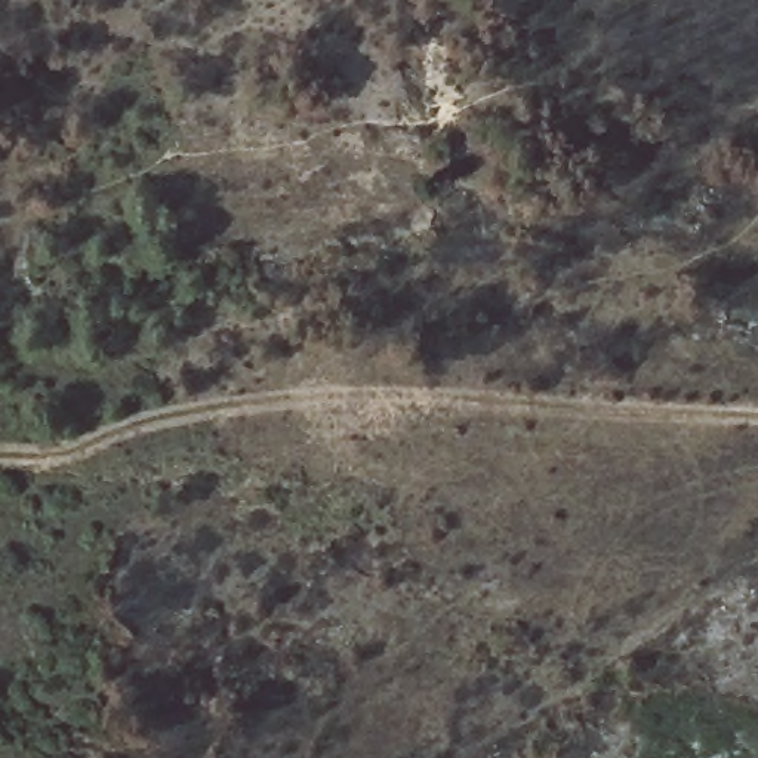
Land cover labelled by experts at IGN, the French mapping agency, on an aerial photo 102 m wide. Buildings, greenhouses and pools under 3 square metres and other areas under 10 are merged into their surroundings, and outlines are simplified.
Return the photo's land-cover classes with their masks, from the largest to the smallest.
<instances>
[{"label":"bare soil","instance_id":"1","mask_svg":"<svg viewBox=\"0 0 758 758\"><path fill-rule=\"evenodd\" d=\"M530 18L515 27V44L509 47L483 41L477 27H465L462 33L468 41L465 50L471 53V65H489V77L512 83V89L527 101L530 127L542 124V115H551V133L566 136V157L586 148H595L598 154L589 178L595 190L604 192L601 201L583 210L580 216H569L563 228H548L533 225L539 198L515 201L512 190L494 187L500 145L480 139L477 121L497 118L500 104H489L486 83H471L456 92L447 83V44L432 41L441 33V27L456 15L444 0H124L121 9H110L113 15L107 27L110 33L133 38L148 44L154 71L166 62L175 65L187 50L216 56L222 53V41L228 36L246 30L296 36V86L302 92L308 86H317L311 98L314 110L308 115L290 118L284 107H266L258 98V83H272L278 77L272 68L261 77L255 71L237 74L231 95L195 98L187 104L175 139L163 148V160H184L187 169L145 175L139 195L142 201L151 198L154 204H163L169 210V222L175 228H169L166 240L160 243L169 261L187 264L190 258H198L222 231H228L231 240H255V249L261 255L255 266L261 290L284 299L287 305H296L305 296L320 302L326 299V290L338 287L341 305L352 314V329L364 338L358 346L361 358H376L385 346L397 343L403 352L423 364L426 388H483L486 382H494L497 388L509 391H557L571 397L589 394L607 400L628 397L619 388H613V376H625L643 367L654 346H666L672 338L693 335L684 323L690 314H696L690 266L708 258L737 261L743 252H758V195H752L743 184H725L720 178L705 181V175L690 178L684 172V157L714 136H728L731 148H752V154H758V0H527ZM637 95H643V101L663 115L660 133L651 142L637 139L631 127L619 121L634 110ZM420 124H456L465 133L468 151L483 160L471 178L444 184V190L435 198L426 195V178L441 166L426 157V148L417 136ZM308 379L358 385L355 367H343L341 352L320 341H305L302 352L275 361L266 358L264 349L252 346L246 355L237 358L231 370V376L213 388L225 394H255L272 388H296ZM335 423L308 420L302 412H278L231 417L219 426L225 444L249 456V471L299 480V494H308V486H314L320 474L341 471L370 486H382L385 492L379 497V509H388L391 527L397 530V542L379 545V536H364L361 530H355L332 542L329 551L293 554L269 512H252L249 518H237V497H225L216 492V474H192L181 489L160 483V515H166L169 521L163 527H148L115 539L107 574L86 571V580L98 589L101 598L110 601L115 619L130 631L127 645L113 643L101 648L104 678L115 681L121 693V705L113 711L110 720L127 737L148 740V749L139 758H645V737L634 731L628 722H619L610 734L601 737L589 728V722L598 725L604 714L613 711V693L595 690V681L607 669L619 672L631 666L634 690H645L651 684L675 687L690 681H717L720 690H734L758 702V426H657L569 417L536 420L524 415H468L462 420L447 417L435 435L423 432L417 420H406V429L400 435L370 438L352 432L323 441V429H332Z\"/></svg>","mask_w":758,"mask_h":758},{"label":"brushwood","instance_id":"2","mask_svg":"<svg viewBox=\"0 0 758 758\"><path fill-rule=\"evenodd\" d=\"M53 71L74 68L80 83L98 95L113 89H133L136 101L118 124L92 127L83 136L80 118L68 113L62 139L47 145H30L27 139H18L9 160L0 163V225L12 234V246L18 249L15 275L30 290V302L24 308L15 305L12 317L0 323V441L56 444L62 438L92 432L101 423L136 415L142 409L187 403L190 397H198L213 388L231 376V370L225 364L210 367L207 352L213 349V338L219 335V329H240L243 338H284L296 329L293 308L269 314L266 305L255 299L261 290L255 266L261 255L255 249V240H231L228 231H222L198 258H190L187 264L169 261L160 243L166 240L169 228H175L169 222V210L163 204H154L151 198L142 201L139 195L145 175L187 169L184 160H163V148L175 139L187 104L195 98L184 89L175 65L166 62L154 71L148 44L133 38L130 47L121 53L110 47L74 50L68 56H50L47 62ZM50 503L56 509H77L83 503L80 486L44 483L38 494H33L30 500L33 509ZM27 645L6 666H0V758H139L148 749V740L127 737L110 720L113 711L121 705V693L115 681L104 678L101 648L113 643L98 625H62L53 607L33 604L30 616L18 619Z\"/></svg>","mask_w":758,"mask_h":758},{"label":"coniferous trees","instance_id":"3","mask_svg":"<svg viewBox=\"0 0 758 758\"><path fill-rule=\"evenodd\" d=\"M124 0H0V163L9 160L18 139H27L30 145H47L62 139L68 113L80 118L83 136L92 127L118 124L136 101L133 89H113L98 95L80 83L74 68L53 71L47 62L50 56H68L74 50L110 47L121 53L130 47L133 38L110 33L107 27L113 15L110 9H121ZM456 15L441 27V33L432 41L447 44V83L456 92L471 83H486L489 104H500L497 118L477 121L480 139L500 145L494 187L512 190L515 201L539 198L533 225L548 228H563L569 216H580L583 210L601 201L604 192L595 190L589 178L598 154L595 148H586L566 157V136L551 133V115H542V124L530 127L527 101L512 89V83L489 77V65H471V53L465 50L468 41L462 33L465 27H477L483 41L509 47L515 44V27L530 18L527 0H444ZM296 36L246 30L228 36L222 41V53L216 56L187 50L175 65L184 89L195 98L231 95L237 74L255 71L261 77L272 68L278 77L272 83H258V98L266 107H284L290 118L308 115L314 110L311 98L317 86H308L302 92L296 86ZM619 121L631 127L637 139L651 142L660 133L663 115L643 101V95H637L634 110ZM417 136L426 148V157L441 166L426 178V195L435 198L444 190V184L471 178L483 160L468 151L465 133L456 124H420ZM684 172L690 178L705 175V181L720 178L725 184H743L752 195H758V154H752V148H731L728 136H714L684 157ZM18 249L12 246V234L0 225V323L12 317L15 305L24 308L30 302V290L15 275ZM696 314H690L684 323L693 335L672 338L666 346H654L643 367L625 376H613V388H619L628 397L666 403H758V252H743L737 261L708 258L690 266ZM255 299L266 305L269 314L293 308L296 329L284 338H243L240 329H219V335L213 338V349L207 352L210 367L225 364L231 370L237 358L246 355L252 346L264 349L266 358L275 361L302 352L305 341H320L341 352L343 367H355L358 385L426 388L423 364L403 352L397 343L385 346L376 358H361L358 346L364 338L352 329V314L341 305L338 287L326 290V299L320 302L305 296L296 305H287L284 299L261 290Z\"/></svg>","mask_w":758,"mask_h":758},{"label":"herbaceous vegetation","instance_id":"4","mask_svg":"<svg viewBox=\"0 0 758 758\"><path fill-rule=\"evenodd\" d=\"M249 456L225 444L219 426L204 420L192 426L148 432L130 441H118L110 450H101L83 462L59 465L50 471L0 468V666H6L27 645L18 619L30 616L33 604L53 607L62 625H98L113 643L127 645L130 631L115 619L110 601L101 598L98 589L86 580V571L107 574L115 539L148 527H163L169 521L166 515H160V483L181 489L192 474H216V492L225 497H237V518H249L252 512H269L293 554L329 551L332 542L355 530H361L364 536H379V545L397 542V530L391 527L388 509H379V497L385 492L382 486H370L341 471L320 474L314 486H308V494H299V480L249 471ZM44 483L80 486L83 503L77 509H56L50 503L33 509L30 500L33 494H38ZM595 690L613 693V711L604 714L598 725L589 722V728L601 737L610 734L619 722H628L634 731L645 737V758H758V702L734 690H720L717 681H690L675 687L651 684L645 690H634L631 666L619 672L607 669L595 681Z\"/></svg>","mask_w":758,"mask_h":758},{"label":"pervious surface","instance_id":"5","mask_svg":"<svg viewBox=\"0 0 758 758\"><path fill-rule=\"evenodd\" d=\"M278 412H302L308 420L335 423L332 429H323V441L352 432L370 438L400 435L406 429V420H417L423 432L435 435L447 417L462 420L468 415H524L536 420L569 417L657 426H758V403H666L628 397L607 400L589 394L571 397L557 391H509L497 388L494 382H486L483 388H426L358 385L308 379L296 388H272L255 394H225L213 388L198 397H190L187 403L142 409L136 415L101 423L92 432L62 438L56 444L0 441V468L50 471L59 465L83 462L101 450H110L118 441H130L148 432L192 426L204 420L219 426L231 417Z\"/></svg>","mask_w":758,"mask_h":758}]
</instances>
